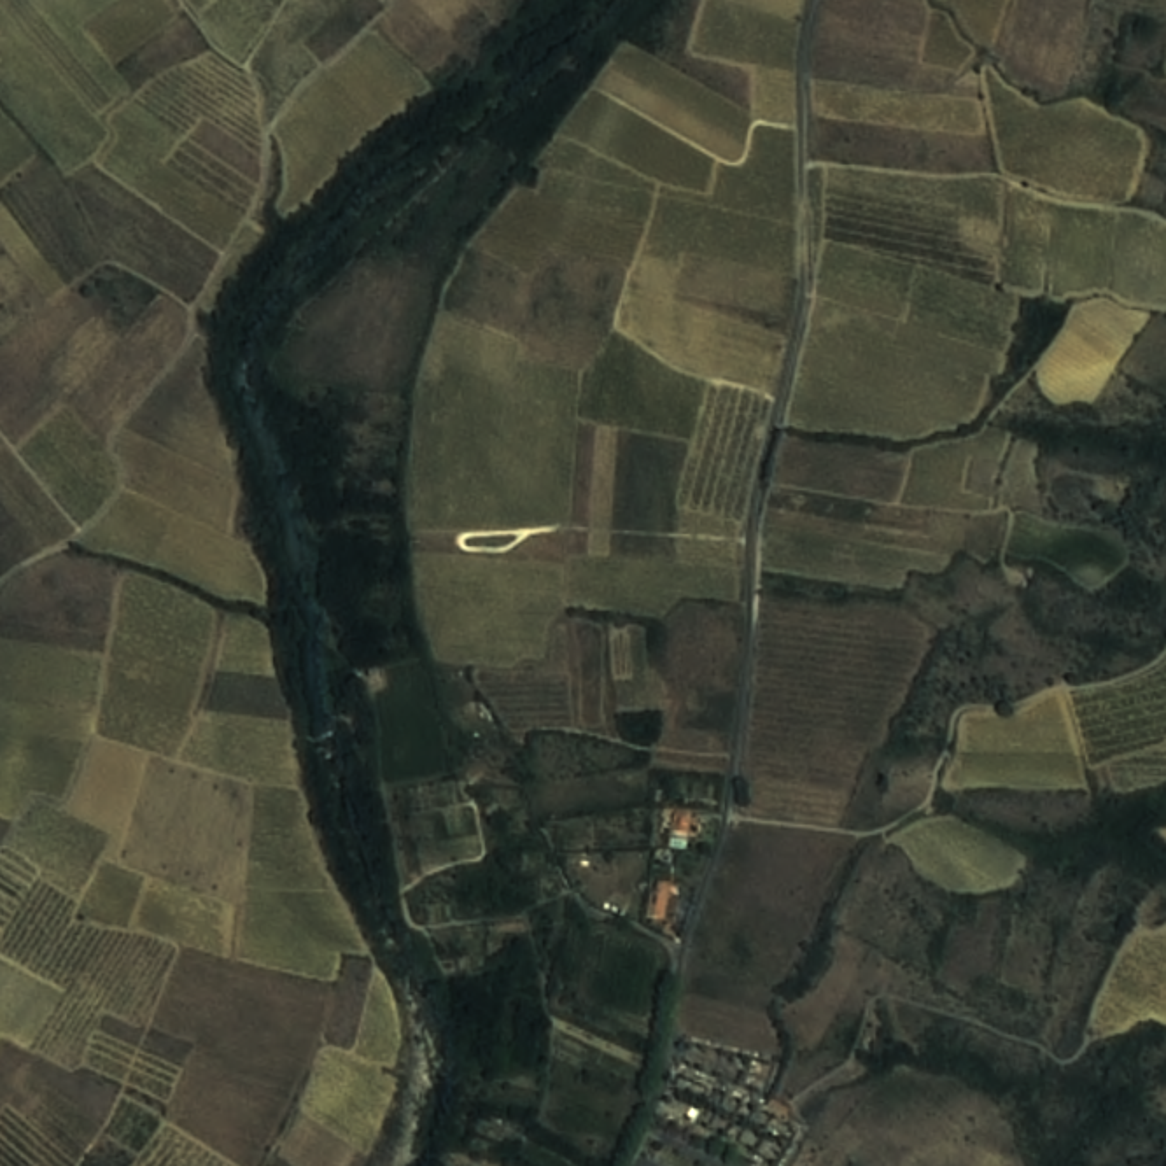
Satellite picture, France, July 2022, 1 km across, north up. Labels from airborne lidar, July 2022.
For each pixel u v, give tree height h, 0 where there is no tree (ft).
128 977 0
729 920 0
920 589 0
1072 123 0
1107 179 0
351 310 0
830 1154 0
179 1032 0
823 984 0
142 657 0
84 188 0
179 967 0
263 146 0
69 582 0
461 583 0
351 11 0
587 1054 0
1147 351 0
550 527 0
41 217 0
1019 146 0
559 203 0
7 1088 0
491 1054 43
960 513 0
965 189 0
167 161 0
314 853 0
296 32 0
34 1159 0
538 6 24
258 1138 0
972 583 0
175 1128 0
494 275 0
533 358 0
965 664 26
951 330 0
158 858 0
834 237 0
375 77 0
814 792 0
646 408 0
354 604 48
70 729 0
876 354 0
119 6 0
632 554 0
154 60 0
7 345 0
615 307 0
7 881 0
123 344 0
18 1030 0
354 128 0
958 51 0
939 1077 23
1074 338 0
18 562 0
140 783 0
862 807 0
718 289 0
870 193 0
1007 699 28
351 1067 0
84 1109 0
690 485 0
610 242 0
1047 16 0
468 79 18
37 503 0
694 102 0
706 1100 28
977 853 0
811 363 0
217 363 56
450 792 0
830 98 0
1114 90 23
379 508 43
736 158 0
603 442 0
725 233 0
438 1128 30
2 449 0
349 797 49
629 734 19
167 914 0
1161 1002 0
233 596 0
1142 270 0
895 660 0
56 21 0
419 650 22
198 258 0
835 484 0
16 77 0
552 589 0
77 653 0
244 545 0
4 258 0
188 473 0
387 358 0
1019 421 22
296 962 0
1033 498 0
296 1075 0
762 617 0
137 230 0
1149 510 31
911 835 0
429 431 0
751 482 0
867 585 0
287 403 44
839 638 0
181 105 0
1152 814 21
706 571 0
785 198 0
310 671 0
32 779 0
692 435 0
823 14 0
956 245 0
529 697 0
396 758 0
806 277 0
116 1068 0
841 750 0
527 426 0
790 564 0
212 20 0
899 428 0
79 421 0
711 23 0
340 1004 0
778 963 0
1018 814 0
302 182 0
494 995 35
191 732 0
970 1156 0
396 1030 0
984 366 0
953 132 0
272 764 0
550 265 0
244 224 0
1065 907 0
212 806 0
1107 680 18
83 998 0
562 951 18
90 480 0
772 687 0
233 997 0
